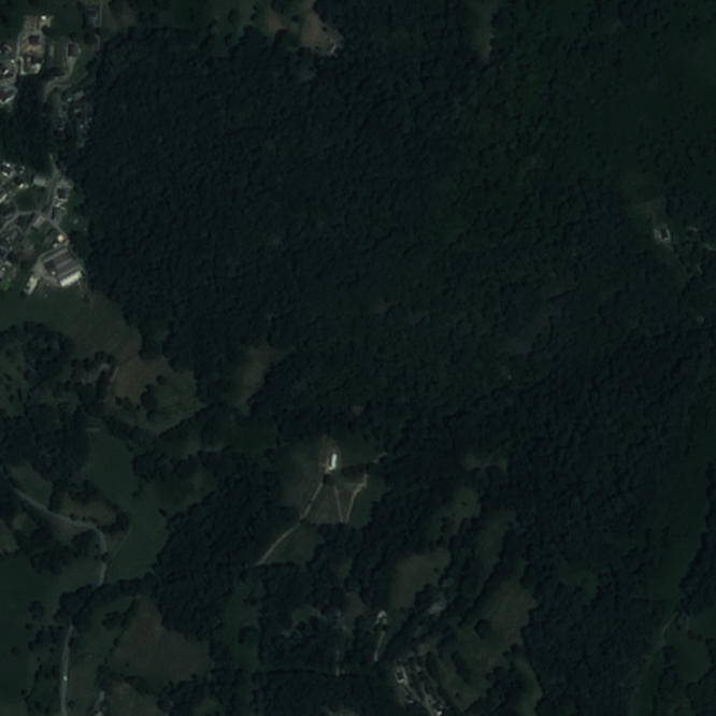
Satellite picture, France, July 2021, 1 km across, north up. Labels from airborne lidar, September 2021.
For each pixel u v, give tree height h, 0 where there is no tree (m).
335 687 19
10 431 21
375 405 31
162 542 0
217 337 15
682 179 16
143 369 0
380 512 23
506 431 16
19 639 0
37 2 21
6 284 16
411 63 17
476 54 11
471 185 8
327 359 15
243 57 23
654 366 24
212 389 22
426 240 9
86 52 0
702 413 11
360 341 21
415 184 9
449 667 0
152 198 19
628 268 21
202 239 12
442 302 16
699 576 23
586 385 31
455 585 15
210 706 0
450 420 8
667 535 8
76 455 13
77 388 17
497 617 0
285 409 17
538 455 20
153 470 17
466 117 20
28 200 0
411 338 21
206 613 16
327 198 8
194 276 16
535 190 9
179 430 15
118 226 15
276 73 15
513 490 20
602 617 23
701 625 0
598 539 21
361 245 11
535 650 21
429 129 14
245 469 18
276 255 13
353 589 11
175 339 22
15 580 0
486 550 0
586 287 19
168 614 15
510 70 14
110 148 19
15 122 19
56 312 0
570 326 20
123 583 13
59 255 0
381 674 14
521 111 8
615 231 20
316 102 15
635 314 23
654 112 0
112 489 0
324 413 19
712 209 14
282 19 0
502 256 10
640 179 0
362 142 9
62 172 6
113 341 0
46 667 8
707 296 20
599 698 19
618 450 18
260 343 15
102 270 20
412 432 19
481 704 16
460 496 0
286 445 14
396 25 28
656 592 0
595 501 21
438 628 21
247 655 0
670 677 17
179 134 10
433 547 9
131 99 16
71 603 30
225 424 21
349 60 18
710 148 8
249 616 0
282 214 9
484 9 0
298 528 0
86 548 7
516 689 16
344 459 0
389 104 21
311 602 19
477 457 0
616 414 20
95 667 0
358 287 19
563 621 17
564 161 9
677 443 18
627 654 20
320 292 21
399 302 17
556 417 14
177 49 21
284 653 21
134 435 19
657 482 20
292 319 24
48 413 20
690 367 28
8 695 0
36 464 16
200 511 22
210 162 15
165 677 0
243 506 19
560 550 22
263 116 11
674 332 24
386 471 15
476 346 17
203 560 16
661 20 7
